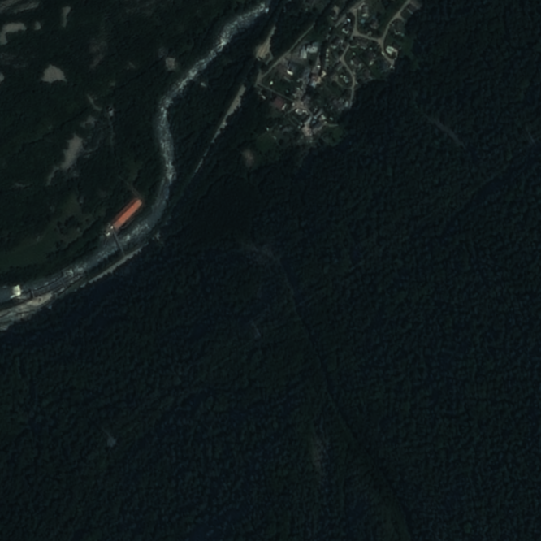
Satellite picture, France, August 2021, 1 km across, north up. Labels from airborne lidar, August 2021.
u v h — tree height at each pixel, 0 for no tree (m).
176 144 9
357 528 16
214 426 14
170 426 16
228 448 18
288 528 18
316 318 27
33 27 12
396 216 29
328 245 33
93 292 15
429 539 14
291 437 15
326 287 26
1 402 21
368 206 22
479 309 25
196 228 22
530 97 13
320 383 19
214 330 18
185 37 7
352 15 7
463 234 33
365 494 14
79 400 20
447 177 25
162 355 24
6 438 19
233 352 24
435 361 24
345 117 21
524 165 17
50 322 23
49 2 22
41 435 30
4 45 6
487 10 24
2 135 21
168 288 22
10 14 11
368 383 24
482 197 13
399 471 21
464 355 26
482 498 25
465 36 20
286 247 12
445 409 23
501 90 25
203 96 14
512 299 27
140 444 7
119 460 9
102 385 27
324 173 30
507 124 24
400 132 26
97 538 17
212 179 20
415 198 29
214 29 24
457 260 28
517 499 24
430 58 18
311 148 10
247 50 24
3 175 19
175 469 17
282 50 15
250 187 21
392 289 17
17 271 13
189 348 15
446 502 19
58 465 9
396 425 13
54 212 9
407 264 34
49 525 20
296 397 9
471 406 25
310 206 20
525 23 26
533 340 28
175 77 15
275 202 22
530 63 27
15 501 11
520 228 21
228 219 24
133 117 18
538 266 25
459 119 25
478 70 30
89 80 21
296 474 24
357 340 25
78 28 13
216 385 10
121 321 20
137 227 0
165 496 10
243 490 16
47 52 15
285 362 27
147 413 20
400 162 27
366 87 16
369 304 23
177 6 17
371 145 25
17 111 20
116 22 21
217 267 20
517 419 24
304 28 21
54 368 24
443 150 26
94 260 0
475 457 23
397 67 18
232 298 33
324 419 20
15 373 25
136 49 21
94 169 18
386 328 19
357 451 19
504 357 23
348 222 23
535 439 25
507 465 15
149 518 18
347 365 24
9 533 19
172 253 19
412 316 26
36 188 18
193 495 12
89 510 16
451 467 28
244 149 15
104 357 20
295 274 24
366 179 18
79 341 16
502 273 29
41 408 20
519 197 29
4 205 20
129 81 14
